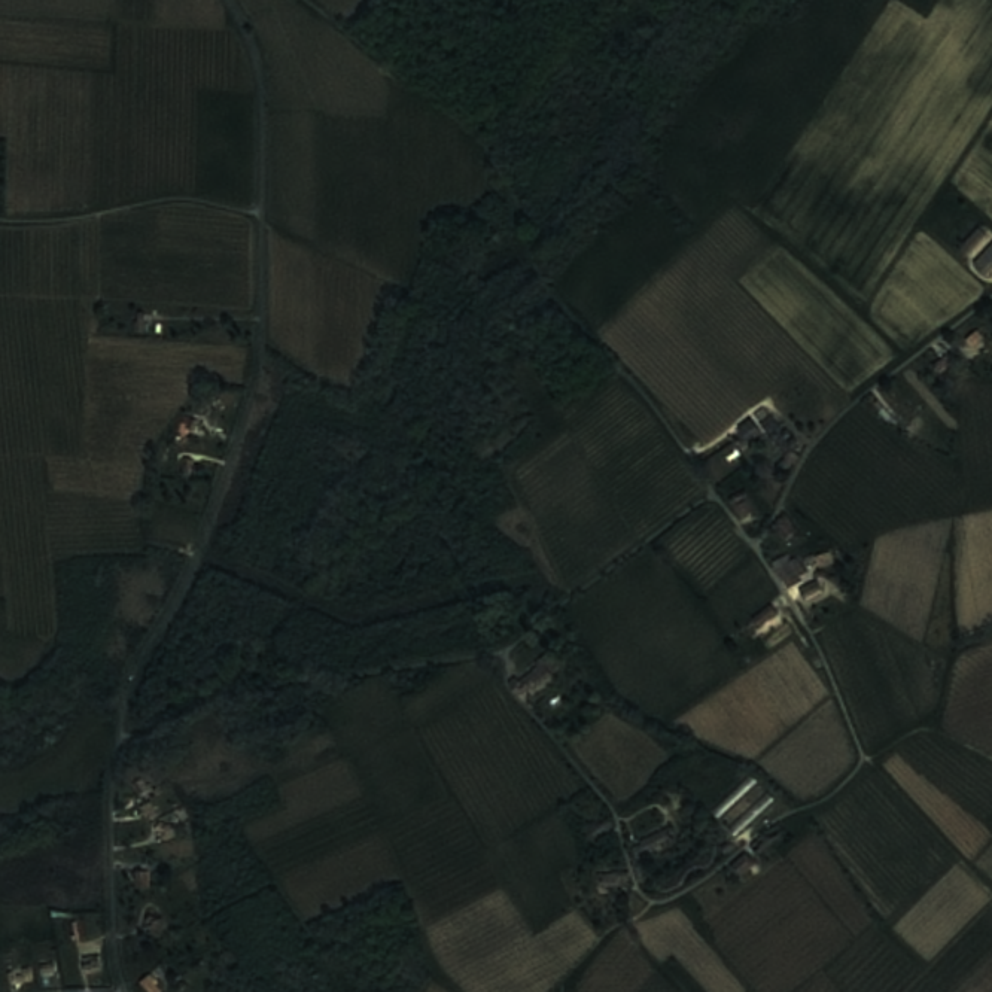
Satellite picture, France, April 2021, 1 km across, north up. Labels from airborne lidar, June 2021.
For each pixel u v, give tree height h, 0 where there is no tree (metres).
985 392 0
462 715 0
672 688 0
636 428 0
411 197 0
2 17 0
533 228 20
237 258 0
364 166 0
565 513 0
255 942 7
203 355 0
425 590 8
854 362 0
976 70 0
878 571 0
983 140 0
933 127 0
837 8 0
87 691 14
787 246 0
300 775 0
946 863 0
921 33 0
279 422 6
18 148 0
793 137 0
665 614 0
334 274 0
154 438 0
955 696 0
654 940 0
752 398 0
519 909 0
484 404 14
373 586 8
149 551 6
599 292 0
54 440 0
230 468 0
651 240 0
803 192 0
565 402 19
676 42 18
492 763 0
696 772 0
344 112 0
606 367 16
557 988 0
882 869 0
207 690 20
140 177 0
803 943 0
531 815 0
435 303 8
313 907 0
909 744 0
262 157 0
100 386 0
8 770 9
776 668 0
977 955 0
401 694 6
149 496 11
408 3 26
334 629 9
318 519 16
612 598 0
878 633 0
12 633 0
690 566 0
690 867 6
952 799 0
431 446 11
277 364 8
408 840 0
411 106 0
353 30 14
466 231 22
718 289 0
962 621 0
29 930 0
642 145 17
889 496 0
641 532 0
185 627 6
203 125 0
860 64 0
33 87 0
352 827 0
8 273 0
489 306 15
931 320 0
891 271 0
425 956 14
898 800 0
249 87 0
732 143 0
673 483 0
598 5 13
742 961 0
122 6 0
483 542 8
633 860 9
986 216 0
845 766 0
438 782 0
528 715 0
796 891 0
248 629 14
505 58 24
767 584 0
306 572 12
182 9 0
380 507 20
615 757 0
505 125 18
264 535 15
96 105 0
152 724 9
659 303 0
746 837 0
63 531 0
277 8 0
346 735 0
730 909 0
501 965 0
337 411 9
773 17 9
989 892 0
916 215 0
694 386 0
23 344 0
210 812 14
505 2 16
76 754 0
